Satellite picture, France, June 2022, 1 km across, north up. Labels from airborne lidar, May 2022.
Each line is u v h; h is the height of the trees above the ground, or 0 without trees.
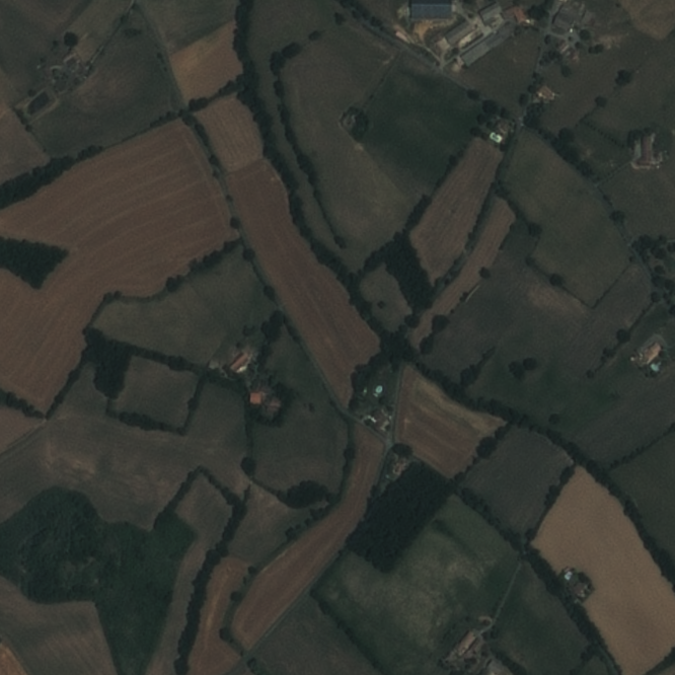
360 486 0
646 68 0
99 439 0
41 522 9
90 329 13
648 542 18
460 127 0
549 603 0
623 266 0
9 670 0
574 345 0
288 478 0
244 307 0
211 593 0
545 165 0
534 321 0
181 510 0
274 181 0
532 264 13
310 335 0
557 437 15
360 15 15
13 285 0
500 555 0
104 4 0
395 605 0
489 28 0
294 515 0
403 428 0
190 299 0
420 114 0
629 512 16
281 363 0
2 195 13
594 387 0
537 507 0
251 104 16
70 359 0
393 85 0
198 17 0
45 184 12
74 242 0
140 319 0
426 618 0
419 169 0
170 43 0
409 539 14
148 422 19
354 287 16
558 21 0
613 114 0
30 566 8
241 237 7
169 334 0
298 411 0
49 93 0
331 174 0
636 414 0
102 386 15
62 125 0
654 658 0
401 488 17
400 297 0
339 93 0
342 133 0
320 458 0
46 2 0
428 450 0
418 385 0
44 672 0
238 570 0
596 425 0
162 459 0
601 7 0
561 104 0
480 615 0
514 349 0
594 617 0
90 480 0
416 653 0
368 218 0
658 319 0
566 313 0
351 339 0
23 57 0
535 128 16
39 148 0
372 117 0
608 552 0
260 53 0
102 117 0
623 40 0
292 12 0
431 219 0
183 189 0
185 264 0
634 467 0
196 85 0
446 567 0
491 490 0
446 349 0
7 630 0
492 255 0
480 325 0
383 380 0
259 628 0
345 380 0
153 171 0
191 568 0
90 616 0
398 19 0
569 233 0
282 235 0
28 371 0
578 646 0
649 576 0
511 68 0
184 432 10
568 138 17
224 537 11
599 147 0
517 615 0
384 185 0
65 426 0
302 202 14
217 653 0
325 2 0
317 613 0
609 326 0
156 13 0
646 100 0
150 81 0
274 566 0
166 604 7
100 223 0
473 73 0
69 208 0
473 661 10
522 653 0
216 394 0
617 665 7
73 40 16
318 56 0
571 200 0
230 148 0
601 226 0
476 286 0
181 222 0
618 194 0
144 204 0
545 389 0
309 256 0
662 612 0
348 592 0
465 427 0
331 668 0
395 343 20
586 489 0
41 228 0
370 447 0
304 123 0
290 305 0
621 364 0
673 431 7
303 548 0
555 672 0
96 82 0
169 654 0
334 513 0
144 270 0
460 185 0
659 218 0
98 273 0
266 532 0
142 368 0
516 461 0
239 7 12
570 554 0
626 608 0
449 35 0
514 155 0
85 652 0
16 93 0
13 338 0
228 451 0
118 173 0
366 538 23
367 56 0
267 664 0
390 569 15
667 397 0
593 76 0
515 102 0
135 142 0
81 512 7
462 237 0
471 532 0
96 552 12
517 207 6
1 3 0
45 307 0
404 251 16
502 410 21
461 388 14
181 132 0
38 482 0
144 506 0
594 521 0
